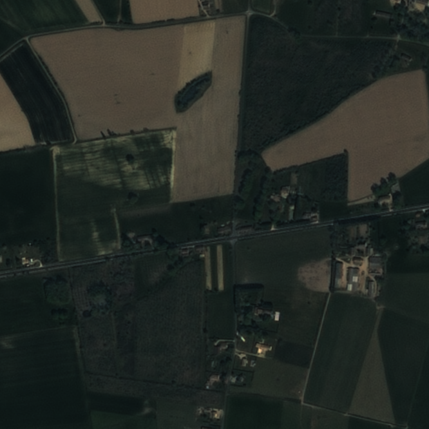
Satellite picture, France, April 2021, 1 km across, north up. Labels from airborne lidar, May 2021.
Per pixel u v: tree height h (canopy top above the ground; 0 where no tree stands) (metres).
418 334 0
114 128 0
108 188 0
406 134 0
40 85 0
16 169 0
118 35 0
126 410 0
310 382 0
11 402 0
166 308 6
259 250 0
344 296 0
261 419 0
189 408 0
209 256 0
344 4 13
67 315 16
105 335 5
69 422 0
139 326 7
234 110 0
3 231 0
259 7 0
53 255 9
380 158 0
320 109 6
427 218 15
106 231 0
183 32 0
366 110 0
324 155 0
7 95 0
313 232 0
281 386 0
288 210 0
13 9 0
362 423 0
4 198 0
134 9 0
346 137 0
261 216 10
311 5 10
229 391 0
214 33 0
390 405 0
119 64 0
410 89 0
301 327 0
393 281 0
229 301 0
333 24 11
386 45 8
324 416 0
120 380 7
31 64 0
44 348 0
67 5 0
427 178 0
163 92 0
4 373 0
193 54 0
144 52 0
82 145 0
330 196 7
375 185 0
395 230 0
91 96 0
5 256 0
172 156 0
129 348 0
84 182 0
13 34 0
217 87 0
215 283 0
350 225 11
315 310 0
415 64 0
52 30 0
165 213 0
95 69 0
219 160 0
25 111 0
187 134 0
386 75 13
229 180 0
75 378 0
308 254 0
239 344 0
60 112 0
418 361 0
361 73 6
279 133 6
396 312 0
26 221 0
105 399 0
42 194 0
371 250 0
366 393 0
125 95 0
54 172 0
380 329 0
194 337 7
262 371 0
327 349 0
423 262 0
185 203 0
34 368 0
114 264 9
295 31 14
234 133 0
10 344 0
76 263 0
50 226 0
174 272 19
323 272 0
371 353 0
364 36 0
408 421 0
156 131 0
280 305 0
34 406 0
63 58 0
